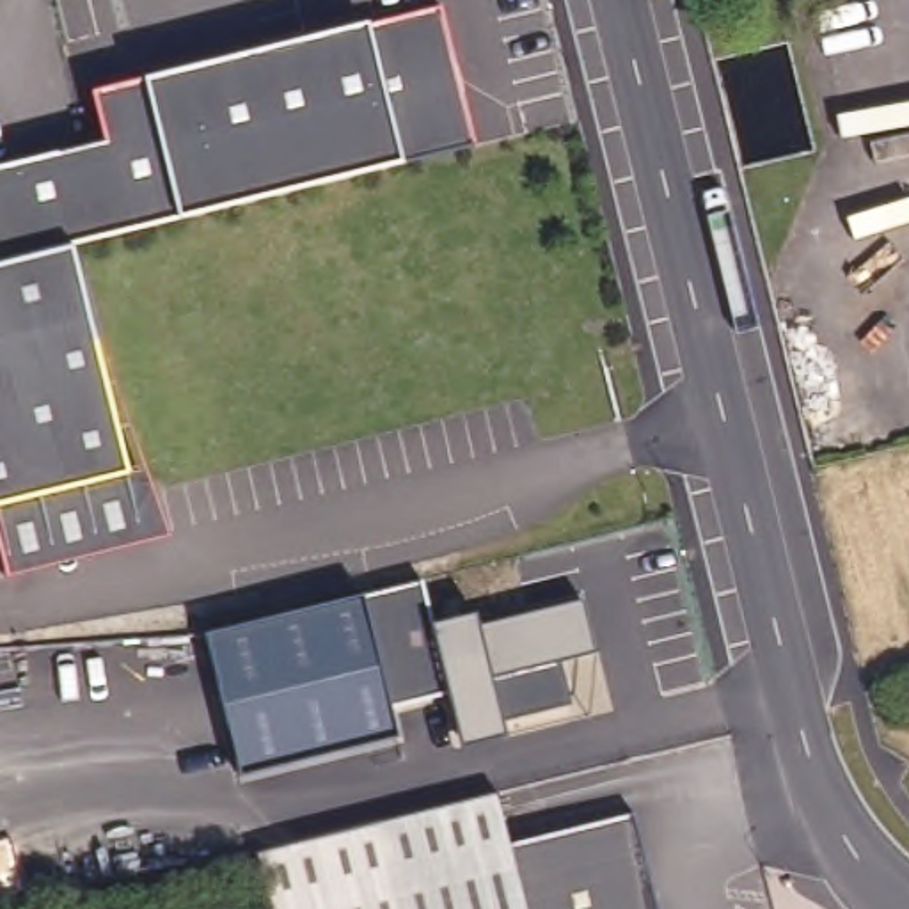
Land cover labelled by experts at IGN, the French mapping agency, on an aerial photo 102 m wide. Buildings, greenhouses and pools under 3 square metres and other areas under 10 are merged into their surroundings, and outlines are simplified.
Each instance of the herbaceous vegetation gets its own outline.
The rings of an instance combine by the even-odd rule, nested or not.
[[[881,724],[877,714],[856,728],[852,703],[838,703],[831,731],[859,795],[891,831],[891,838],[909,852],[909,728]]]
[[[518,529],[494,543],[465,547],[462,557],[444,572],[444,579],[458,586],[469,572],[511,565],[540,547],[668,518],[668,479],[657,469],[632,469],[582,490],[565,508],[533,522],[529,529]]]
[[[774,160],[749,160],[742,178],[763,263],[781,259],[781,249],[792,234],[792,224],[817,170],[817,160],[810,160],[806,153],[792,153]]]
[[[628,337],[625,302],[604,305],[604,259],[586,249],[582,238],[557,238],[554,245],[540,241],[540,224],[547,217],[561,217],[565,227],[582,220],[582,213],[572,202],[572,163],[565,142],[557,142],[550,131],[529,131],[469,149],[359,174],[348,181],[309,181],[298,192],[273,192],[270,199],[245,202],[234,209],[217,206],[213,213],[202,209],[199,217],[185,220],[167,217],[142,227],[78,238],[78,266],[92,288],[96,320],[103,348],[114,366],[128,440],[149,479],[174,483],[305,455],[316,447],[352,444],[362,437],[504,401],[529,401],[536,430],[543,437],[632,419],[643,408],[643,380]]]

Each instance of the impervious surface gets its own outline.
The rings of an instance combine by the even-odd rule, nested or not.
[[[359,18],[401,14],[437,0],[0,0],[0,160],[99,138],[92,89],[103,82],[149,75],[170,64],[202,60]]]
[[[692,25],[689,14],[682,14],[675,0],[444,0],[447,7],[440,11],[437,25],[469,149],[529,131],[550,131],[572,124],[589,149],[589,170],[597,178],[611,234],[607,259],[618,270],[618,288],[625,302],[628,337],[643,380],[643,408],[632,419],[543,437],[536,430],[529,401],[504,401],[362,437],[352,444],[316,447],[305,455],[174,483],[167,504],[178,522],[178,543],[170,550],[142,554],[121,568],[96,568],[75,557],[4,572],[0,561],[0,909],[21,909],[28,895],[39,888],[160,888],[188,870],[206,870],[224,859],[263,856],[266,849],[479,795],[497,795],[511,838],[529,838],[614,817],[625,813],[625,802],[639,802],[646,810],[646,845],[660,909],[909,909],[909,852],[891,838],[891,831],[859,795],[831,731],[838,703],[852,703],[856,728],[877,714],[873,692],[863,689],[859,678],[863,664],[856,650],[852,607],[842,582],[834,536],[820,501],[820,472],[813,472],[813,458],[820,447],[873,440],[898,426],[909,426],[909,0],[774,0],[774,43],[767,50],[728,60],[724,53],[710,50],[707,32]],[[806,153],[810,160],[817,160],[817,170],[792,224],[792,234],[781,249],[781,259],[763,263],[742,178],[749,160],[774,160],[792,153]],[[444,579],[444,572],[462,557],[465,547],[494,543],[518,529],[529,529],[533,522],[565,508],[582,490],[632,469],[657,469],[668,479],[668,518],[540,547],[511,565],[469,572],[458,586]],[[611,710],[526,735],[483,735],[465,746],[451,746],[447,735],[458,724],[455,700],[437,700],[426,710],[405,714],[405,742],[398,749],[270,781],[256,781],[256,774],[238,774],[231,767],[238,753],[209,657],[209,632],[369,593],[408,579],[430,582],[430,607],[440,621],[462,614],[476,614],[479,621],[501,621],[575,600],[579,607],[586,607],[589,636],[597,657],[604,660]]]

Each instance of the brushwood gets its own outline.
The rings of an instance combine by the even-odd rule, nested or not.
[[[813,458],[813,472],[820,472],[827,465],[845,465],[909,444],[909,426],[898,426],[873,440],[820,447]]]
[[[565,227],[561,217],[547,217],[540,224],[540,241],[554,245],[557,238],[582,238],[586,249],[604,259],[604,305],[625,302],[618,288],[618,270],[607,259],[611,234],[597,178],[589,170],[589,149],[572,124],[550,131],[557,142],[565,142],[572,163],[572,202],[582,213],[582,220]]]

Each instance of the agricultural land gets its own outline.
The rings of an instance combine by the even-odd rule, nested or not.
[[[842,582],[852,607],[856,650],[863,664],[884,650],[909,646],[909,444],[845,465],[827,465],[820,472],[820,501],[834,536]]]

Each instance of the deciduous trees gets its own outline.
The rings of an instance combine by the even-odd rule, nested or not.
[[[710,50],[724,53],[728,60],[767,50],[774,43],[774,0],[675,0],[682,14],[689,14],[692,25],[707,32]]]
[[[863,664],[859,678],[863,689],[873,692],[877,714],[881,724],[909,728],[909,646],[884,650]]]
[[[224,859],[206,870],[188,870],[160,888],[39,888],[28,895],[21,909],[273,909],[273,866],[263,856]]]

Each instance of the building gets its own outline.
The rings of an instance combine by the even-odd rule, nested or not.
[[[298,192],[309,181],[348,181],[359,174],[469,149],[437,25],[440,11],[447,7],[444,0],[437,0],[401,14],[359,18],[202,60],[170,64],[149,75],[103,82],[92,89],[99,138],[0,160],[0,561],[4,572],[75,557],[96,568],[121,568],[142,554],[170,550],[178,543],[178,522],[167,504],[174,483],[149,479],[128,440],[114,366],[103,348],[96,320],[92,288],[78,266],[78,238],[142,227],[167,217],[185,220],[199,217],[202,209],[213,213],[217,206],[234,209],[245,202],[270,199],[273,192]]]
[[[270,781],[398,749],[405,742],[405,714],[426,710],[437,700],[455,700],[458,724],[447,735],[451,746],[465,746],[483,735],[526,735],[611,710],[604,660],[597,657],[589,636],[586,607],[579,607],[575,600],[501,621],[479,621],[476,614],[462,614],[440,621],[430,607],[430,582],[408,579],[369,593],[209,632],[209,657],[238,753],[231,767],[238,774],[256,774],[256,781]]]
[[[529,838],[511,838],[497,795],[479,795],[266,849],[263,856],[273,866],[273,909],[660,909],[646,845],[646,810],[639,802],[625,802],[625,813],[614,817]]]

